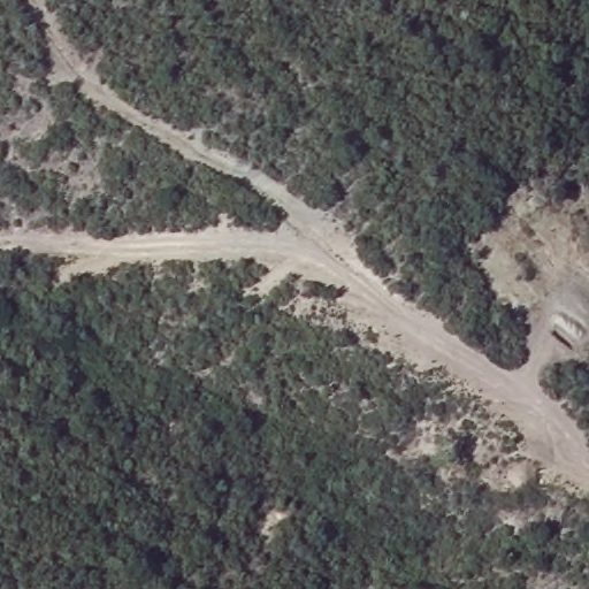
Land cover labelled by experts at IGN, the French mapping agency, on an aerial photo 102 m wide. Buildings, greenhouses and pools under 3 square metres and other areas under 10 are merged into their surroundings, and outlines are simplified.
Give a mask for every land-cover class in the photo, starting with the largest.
<instances>
[{"label":"brushwood","instance_id":"1","mask_svg":"<svg viewBox=\"0 0 589 589\"><path fill-rule=\"evenodd\" d=\"M53 69V58L48 48L46 23L41 12L30 5V0H0V113L21 110L28 113V117L32 120L41 108L53 110L55 124L48 127L41 140H16V150L28 161H48V154L55 150H94L97 136H115L124 140V147L104 145L99 170L106 184V193L101 196V205H92L90 198H83L78 200L76 209H69V179L55 170L28 175L18 166H12L7 161L9 143L0 138V230L18 228L28 219L32 230L60 232L64 228H74L97 239H115L129 232H198L209 225H219L221 214H228L239 228L274 232L288 216L248 179L228 175L207 163L189 161L182 152L173 150L168 143H161L156 136H150L143 127L124 120L120 113L106 106H94L92 99H87L81 92V81L51 85L48 74ZM48 9L55 12L60 18L62 35H67V39L81 55L94 53L99 48L104 51V60L97 74L99 81L115 90L120 99L138 108L143 115L163 120L175 129L186 131L200 127L207 147L230 152L239 161L283 184L292 196L301 198L308 207L331 209L334 216H338L345 223V230L357 237L359 260L366 267H370L391 292H398L419 308L437 315L444 322L446 331L460 336L467 345L481 350L499 368L513 370L522 366L529 359L527 338L531 331L527 308L506 304L492 290L490 276L483 269V260L490 255V248L483 246L481 237L485 232H495L502 228V221L511 212L508 200L520 186L527 191L543 193V202L550 214L561 212L564 200H575L582 186L589 189V0H46ZM269 274V269L255 262L253 258L228 262H120L104 274H76L71 276V281L64 283V301L78 304L76 322L92 324V329L101 336L104 343L110 345L115 338L113 334L138 338V347H133L131 354L140 366H179L182 370L202 377L205 387L228 391L232 396V403H242V414L237 416V430L242 435V442L230 444L223 423L214 419L209 433L200 439V446L191 451V446L186 444V430H182L179 421L163 423L156 416L150 428L138 426L133 405L129 400H113L108 389L104 387L94 389L92 396L97 405L85 416V426L92 433H97V437L90 442L76 437L67 419L78 412V391L85 384V373L81 370L78 357L64 359L69 375L64 398H58L53 393V375H41V384L35 382L30 373L23 377H9V384H0V589H589V495L577 497L561 485L541 483V462L520 456L518 451V444L522 442V430L518 428V423L508 421L504 414L488 412L490 400H481V396L467 393L465 380L449 382V370L444 366L419 370L403 357H391L389 352L361 347L359 336L352 331V324L347 320V308L338 301V297L345 295V288L308 281L299 274H288L285 281H281V285H276L269 295H260L258 283L262 276ZM543 391L557 398L564 412L584 430L589 444V354L584 361L571 359L545 366L541 370V382Z\"/></svg>","mask_w":589,"mask_h":589},{"label":"pervious surface","instance_id":"2","mask_svg":"<svg viewBox=\"0 0 589 589\"><path fill-rule=\"evenodd\" d=\"M30 5L41 12L46 23L48 48L53 58V69L48 74L51 85L81 81V92L87 99H92L94 106H106L120 113L124 120L143 127L150 136H156L161 143H168L173 150L182 152L189 161L207 163L228 175L248 179L288 216L274 232L239 228L228 214H221L219 225H209L198 232H129L115 239H97L74 228H64L60 232L32 230L28 219L18 228L0 230V251L25 248L30 253L62 255L64 265L60 267L58 278L64 283L71 281V276L76 274H104L120 262H228L253 258L255 262L269 269V274L262 276L258 283L260 295H269L276 285H281V281H285L288 274H299L308 281L345 288V295L338 297V301L347 308V320L352 324V331L359 336L361 347L389 352L391 357H403L419 370L444 366L449 370V382L465 380L467 393L481 396V400H490L488 412L504 414L508 421L518 423V428L522 430V442L518 444V451L520 456L541 462V483L561 485L577 497L589 495V444L584 430L564 412L557 398L543 391L541 382H536L522 366L513 370L499 368L481 350L467 345L460 336L446 331L444 322L437 315L419 308L398 292H391L370 267H366L359 260L357 237L345 230V223L338 216H334L331 209L308 207L301 198L292 196L283 184L239 161L230 152L207 147L200 127L186 131L175 129L163 120L143 115L138 108L120 99L115 90L99 81L97 74L104 60V51L99 48L94 53L81 55L67 39V35H62L60 18L55 12L48 9L46 0H30Z\"/></svg>","mask_w":589,"mask_h":589},{"label":"deciduous trees","instance_id":"3","mask_svg":"<svg viewBox=\"0 0 589 589\"><path fill-rule=\"evenodd\" d=\"M64 265L62 255L30 253L25 248L0 251V384H9V377H23L30 373L35 382L41 384V375H53V393L58 398H64L69 375L64 359L78 357L81 370L85 373V384L78 391V412L67 419L76 437L90 442L97 437V433H92L85 426V416L97 405L92 396L94 389L104 387L108 389L113 400H129L133 405L138 426L150 428L156 416L163 423L179 421L182 430H186V444L191 446V451L200 446V439L209 433L214 419L223 423L230 444L242 442V435L237 430V416L242 414V403H232V396L228 391L205 387L202 377L182 370L179 366H140L131 354L133 347H138V338L113 334L115 338L110 345L104 343L101 336L92 329V324L76 322L78 304L64 301V283L58 278L60 267Z\"/></svg>","mask_w":589,"mask_h":589},{"label":"bare soil","instance_id":"4","mask_svg":"<svg viewBox=\"0 0 589 589\"><path fill-rule=\"evenodd\" d=\"M55 124L53 110L41 108L32 120L28 117V113L21 110L0 113V138L9 143L7 161L12 166H18L28 175L55 170L69 179V209H76L78 200L83 198H90L92 205H101V196L106 193V184L99 170L104 145L124 147V140L115 136H97L94 150H55L48 154V161H28L16 150V140H41L48 127ZM543 193L527 191L520 186L508 200L511 212L502 221V228L495 232H485L481 237L483 246L490 248V255L483 260V269L490 276L492 290L506 304L527 308L531 331L527 338L529 359L522 366L536 382H541V370L545 366L571 359L584 361L589 354V189L582 186L575 200H564L561 212L550 214L543 202Z\"/></svg>","mask_w":589,"mask_h":589}]
</instances>
